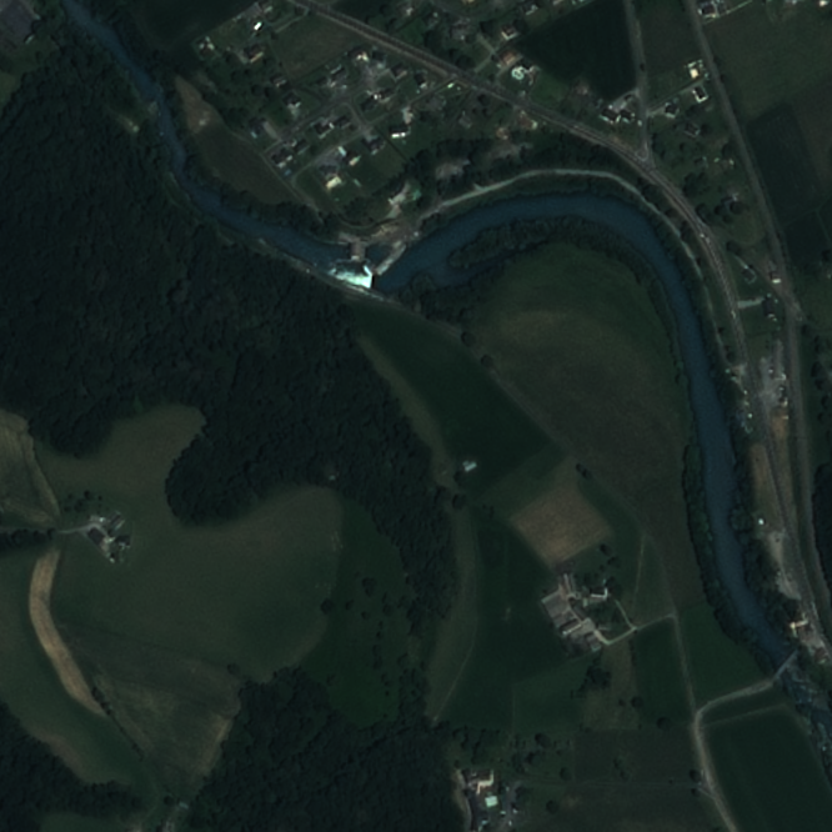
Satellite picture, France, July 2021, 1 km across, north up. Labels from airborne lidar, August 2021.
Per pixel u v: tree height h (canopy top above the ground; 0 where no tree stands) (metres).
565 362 0
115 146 27
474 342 15
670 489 0
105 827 0
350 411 26
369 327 0
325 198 0
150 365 23
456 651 0
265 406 27
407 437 28
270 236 0
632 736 0
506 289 0
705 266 14
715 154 0
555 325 0
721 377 18
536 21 0
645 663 0
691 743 0
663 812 0
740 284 0
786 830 0
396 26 15
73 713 0
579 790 0
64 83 22
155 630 0
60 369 26
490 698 0
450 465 0
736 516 18
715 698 0
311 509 0
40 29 19
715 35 0
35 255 25
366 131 0
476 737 20
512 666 0
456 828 25
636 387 0
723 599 25
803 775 0
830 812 0
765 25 0
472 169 20
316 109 0
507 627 0
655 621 0
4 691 0
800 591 0
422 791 13
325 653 0
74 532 0
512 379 0
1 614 0
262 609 0
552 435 0
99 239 14
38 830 16
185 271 24
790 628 16
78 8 0
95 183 19
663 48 0
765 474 0
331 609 16
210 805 7
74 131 26
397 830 15
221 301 26
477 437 0
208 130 0
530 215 0
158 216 20
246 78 7
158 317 33
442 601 20
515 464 0
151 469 0
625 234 0
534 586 0
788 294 0
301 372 28
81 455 12
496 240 18
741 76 0
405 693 15
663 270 0
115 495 0
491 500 0
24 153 28
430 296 20
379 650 15
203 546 0
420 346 0
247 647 0
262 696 21
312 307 24
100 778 0
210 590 0
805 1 0
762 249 0
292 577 0
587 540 0
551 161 15
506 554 0
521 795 10
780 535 0
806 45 0
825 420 14
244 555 0
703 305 17
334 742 27
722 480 0
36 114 30
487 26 17
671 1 0
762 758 0
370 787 13
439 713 0
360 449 24
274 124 0
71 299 29
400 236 0
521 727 0
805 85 0
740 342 0
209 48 7
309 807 28
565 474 0
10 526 0
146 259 22
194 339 19
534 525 0
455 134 0
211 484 21
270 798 31
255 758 24
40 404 25
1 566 0
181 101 12
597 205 0
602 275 0
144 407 21
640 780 0
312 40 0
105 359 20
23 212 27
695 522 18
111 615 0
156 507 0
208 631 0
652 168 0
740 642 14
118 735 0
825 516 18
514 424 0
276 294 27
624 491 0
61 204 28
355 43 0
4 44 0
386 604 12
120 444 0
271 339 23
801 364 0
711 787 0
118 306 18
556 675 0
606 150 10
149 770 0
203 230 8
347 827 24
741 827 0
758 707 0
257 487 21
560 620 0
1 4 0
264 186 0
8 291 30
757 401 0
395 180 9
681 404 0
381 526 13
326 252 0
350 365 24
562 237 17
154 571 0
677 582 0
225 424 23
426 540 20
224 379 15
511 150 0
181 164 0
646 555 0
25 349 32
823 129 0
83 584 0
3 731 22
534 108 0
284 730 16
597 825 0
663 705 0
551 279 0
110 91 23
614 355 0
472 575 0
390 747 24
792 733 0
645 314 0
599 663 9
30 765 25
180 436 0
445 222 15
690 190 12
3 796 27
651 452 0
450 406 0
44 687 0
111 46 0
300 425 23
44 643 0
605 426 0
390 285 0
